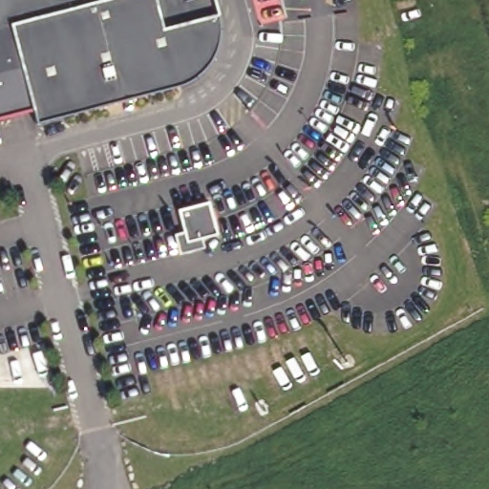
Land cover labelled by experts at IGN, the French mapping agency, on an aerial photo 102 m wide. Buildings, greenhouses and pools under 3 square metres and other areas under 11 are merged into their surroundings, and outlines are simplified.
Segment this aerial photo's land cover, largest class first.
<instances>
[{"label":"impervious surface","instance_id":"1","mask_svg":"<svg viewBox=\"0 0 489 489\"><path fill-rule=\"evenodd\" d=\"M222 27L220 48L210 67L197 80L178 86L172 92L132 97L111 105H103L99 107V111L67 117L69 124H65L61 132L50 136L44 134L42 122H31V117L11 120L10 126L0 128V388H46V384L50 382L59 372H63L69 380L67 392L73 426L78 432L74 441L80 451V458L84 460V479L76 481V489H130V479L136 476L132 460L122 455L118 443L120 426L141 422L147 416L115 420L111 409H117L122 403V393L130 392L132 397H138V392L149 393V380L143 376L147 372V367L151 371L159 372L162 367L168 365L187 363L189 357H208L210 351L220 353L223 348L229 351L231 340H237V348H243V342H266L267 329L283 334L290 329H300L308 325L311 319L317 321L321 315L329 313H336L344 323L363 332H395L399 327L409 329L411 323L420 319L426 313V309L430 308V304L436 300V292L441 288V262L439 256L434 254L437 252V246H434L436 241L430 239L426 229V214L430 212V206L434 201L426 195L420 197L416 183L424 174L422 166L407 159L411 138H405V132L395 130L393 124L399 115L401 101L388 94H380L374 88L378 78L376 71L382 65V44L361 40L357 0H222V19L218 21ZM80 183L88 185V197L84 201H74L69 206V212L74 216V229L71 231L63 227L55 195L67 189L69 195L74 197V187H78Z\"/></svg>","mask_w":489,"mask_h":489},{"label":"herbaceous vegetation","instance_id":"2","mask_svg":"<svg viewBox=\"0 0 489 489\"><path fill-rule=\"evenodd\" d=\"M361 40L382 44V65L376 71L378 78L374 88L380 94H388L401 101L399 115L393 124L395 130L405 132V138H411L407 159L422 166L424 174L416 183L420 197L426 195L434 201L430 206V212L426 214V229L430 239L436 241L434 246H437V252L434 254L439 256L441 262V288L436 292V300L430 304V308L426 309V313L420 319L411 323L409 329L399 327L395 332H363L344 323L336 313H329L321 315L317 321L311 319L308 325L300 329H290L283 334L267 329L266 342H243V348H237V340H231L229 351L223 348L220 353L210 351L208 357H189L187 363L168 365L162 367L159 372L151 371L147 367V372L143 376L149 380V393L138 392V397H132L130 392L122 393V403L117 409H111L115 420L147 416L141 422L120 426L118 443L122 455L132 460L136 476L130 479V489H489V0H357ZM416 82H426L430 88L428 97L422 99V107L428 109L426 118L416 113ZM74 197L69 195L67 189L55 195L63 227L71 231L74 229V216L69 212V206L74 201H84L88 197V185L80 183L78 187H74ZM67 392H57L50 382L46 384V388H0V489H76V481L84 479V460L80 458V451L74 441L78 432L73 426Z\"/></svg>","mask_w":489,"mask_h":489},{"label":"building","instance_id":"3","mask_svg":"<svg viewBox=\"0 0 489 489\"><path fill-rule=\"evenodd\" d=\"M222 19V0H0V128L10 126L11 120L31 117V122H42L44 134L50 136L61 132L65 124H69L67 117L99 111V107L103 105H111L132 97L172 92L178 86L197 80L210 67L220 48L222 27L218 21Z\"/></svg>","mask_w":489,"mask_h":489},{"label":"brushwood","instance_id":"4","mask_svg":"<svg viewBox=\"0 0 489 489\"><path fill-rule=\"evenodd\" d=\"M430 88L426 82H416V113L426 118L428 109L422 107V99L428 97Z\"/></svg>","mask_w":489,"mask_h":489},{"label":"deciduous trees","instance_id":"5","mask_svg":"<svg viewBox=\"0 0 489 489\"><path fill-rule=\"evenodd\" d=\"M57 392H67L69 380L63 372H59L50 382Z\"/></svg>","mask_w":489,"mask_h":489}]
</instances>
